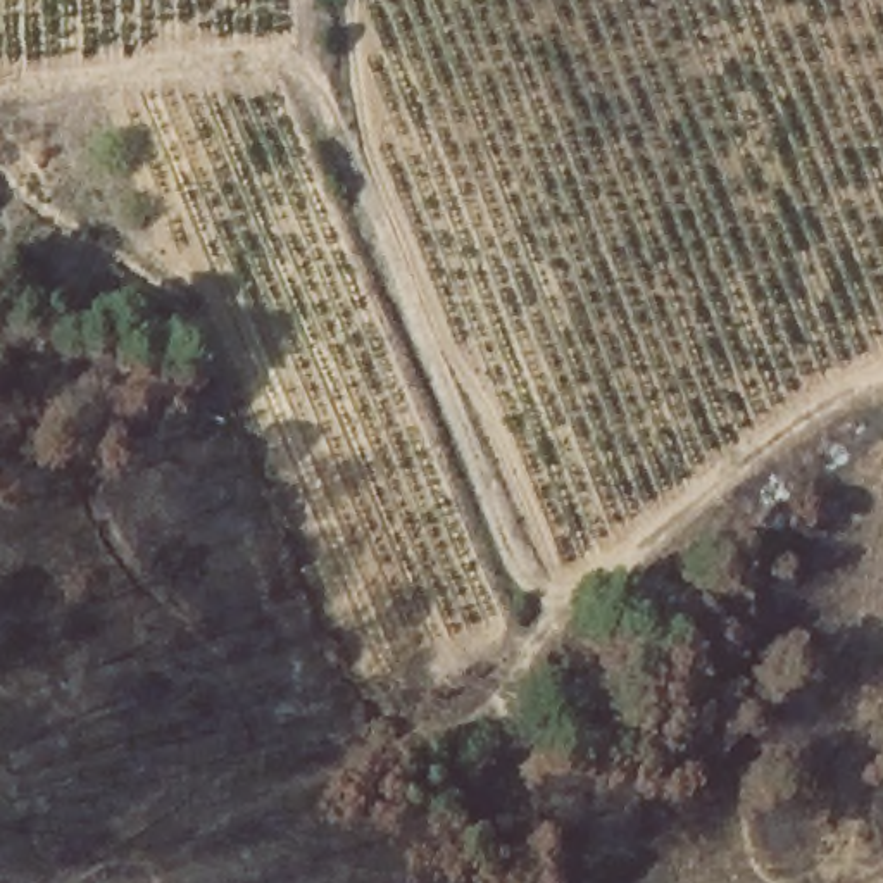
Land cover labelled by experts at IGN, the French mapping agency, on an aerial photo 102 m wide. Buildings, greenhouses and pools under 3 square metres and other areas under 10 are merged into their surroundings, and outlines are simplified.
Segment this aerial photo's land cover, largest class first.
<instances>
[{"label":"vineyard","instance_id":"1","mask_svg":"<svg viewBox=\"0 0 883 883\"><path fill-rule=\"evenodd\" d=\"M97 86L117 128H148L155 155L135 172V186L162 200L166 207L162 217L152 228H145L135 245H121L117 262H124L128 269L155 286L148 300H159L169 317L193 324L200 338L207 331L217 335L221 348L228 352V366L259 390L252 410L259 414V435L266 438V462L279 473V479L297 486V504L304 507V531L317 545L314 566L328 597V611L341 628H348L362 642V655L355 666L362 683L369 686V697L379 704L376 721L393 728L397 735L414 728L431 748L452 728L483 717H507L521 700L528 669L562 638L573 604L559 611L542 604V593L524 590L535 573L548 579V566L521 514L524 500L538 493L559 559L576 562L590 552V542L607 538L624 521H635L648 500L690 479L721 445H735L742 431L755 428L766 414H776L807 376H821L855 355H866L876 345V338H883V0H0V100H31L59 90Z\"/></svg>","mask_w":883,"mask_h":883},{"label":"bare soil","instance_id":"2","mask_svg":"<svg viewBox=\"0 0 883 883\"><path fill-rule=\"evenodd\" d=\"M90 369V359H62L55 348L34 352L28 341H17L0 359V883H383V869H376L369 859H345L328 849L300 842L304 804L321 800V793L328 790L331 766H338L355 745H362L359 728L376 721L379 704L369 697V686L362 683L355 666L362 655V642L348 628H341L328 611V597L314 566L317 545L304 531V507L297 504V486L279 479V473L266 462V438L259 435V414L252 410L259 390L228 366L224 390L207 410L214 448L221 452L217 483H200L197 473H186L179 466V459L162 455L141 462L138 483L124 497H97V466L66 459L62 466H41L34 459V448L24 452L34 442V428L48 400ZM621 590L648 600L652 621L659 628H669L673 617H686L693 624V659L686 676L690 704L686 724L679 731L683 748H666L655 755V762L666 776H673L686 762H697L707 776L704 790L714 804L704 807L700 817L686 828L642 835L617 883H883V400H859L855 407L838 410L824 424L811 428L790 448L762 462L759 473L728 490L717 504L704 507L666 545V555L635 569H600L586 576L576 586L573 604L562 638L528 669L521 700L535 697L538 690H552L555 683L569 686L586 679V662L593 659V652H586L583 645L593 635L607 631L611 607L617 604Z\"/></svg>","mask_w":883,"mask_h":883},{"label":"coniferous trees","instance_id":"3","mask_svg":"<svg viewBox=\"0 0 883 883\"><path fill-rule=\"evenodd\" d=\"M59 224L52 217L34 214L17 228H0V359L17 341H28L34 352L55 348L62 359H90V369L48 400L34 428V442L24 452L34 448V459L41 466H62L66 459L97 466V497H124L138 483L141 462L162 455L179 459V466L186 473H197L200 483H217L221 452L214 448L207 410L224 390L228 366V352L221 348L217 335L207 331L200 338L193 324L169 317L159 300H148L155 286L128 269L114 293L93 297L86 310H69L62 293L48 286L28 290L21 283V272L14 269L17 245H31L38 238L55 235ZM586 652H593V659L586 662V679L569 686L555 683L552 690H538L535 697L521 700L507 717H483L452 728L431 748L414 728L397 735L393 728L376 721L359 728L362 745H355L338 766H331L328 790L321 793V800L304 804L300 842L328 849L345 859H369L376 869H383V883H617L642 835L686 828L700 817L704 807L714 804L704 790L707 776L697 762H686L673 776H666L655 762V755L666 748H683L679 731L686 724L690 704L686 676L693 659V624L686 617H673L669 628H659L652 621L648 600L621 590L617 604L611 607L607 631L593 635L583 645Z\"/></svg>","mask_w":883,"mask_h":883},{"label":"herbaceous vegetation","instance_id":"4","mask_svg":"<svg viewBox=\"0 0 883 883\"><path fill-rule=\"evenodd\" d=\"M155 155L148 128H117L97 86L59 90L31 100H0V228H17L34 214L52 217L59 224L55 235L38 238L31 245H17L14 269L21 272V283L28 290L48 286L62 293L69 310H86L93 297L114 293L128 269L124 262H117L121 245H135L145 228H152L162 217L166 207L162 200L135 186V172Z\"/></svg>","mask_w":883,"mask_h":883},{"label":"pervious surface","instance_id":"5","mask_svg":"<svg viewBox=\"0 0 883 883\"><path fill-rule=\"evenodd\" d=\"M859 400H883V338H876V345L866 355H855L821 376H807L776 414H766L755 428L742 431L735 445H721L690 479L648 500L635 521H624L607 538L590 542V552L576 562L559 559L538 493L524 500L521 514L548 566V579L535 573L524 590L542 593V604L559 611L573 604L576 586L586 576L600 569H635L666 555V545L704 507L717 504L728 490L759 473L762 462L790 448L811 428L824 424L838 410L855 407Z\"/></svg>","mask_w":883,"mask_h":883}]
</instances>
